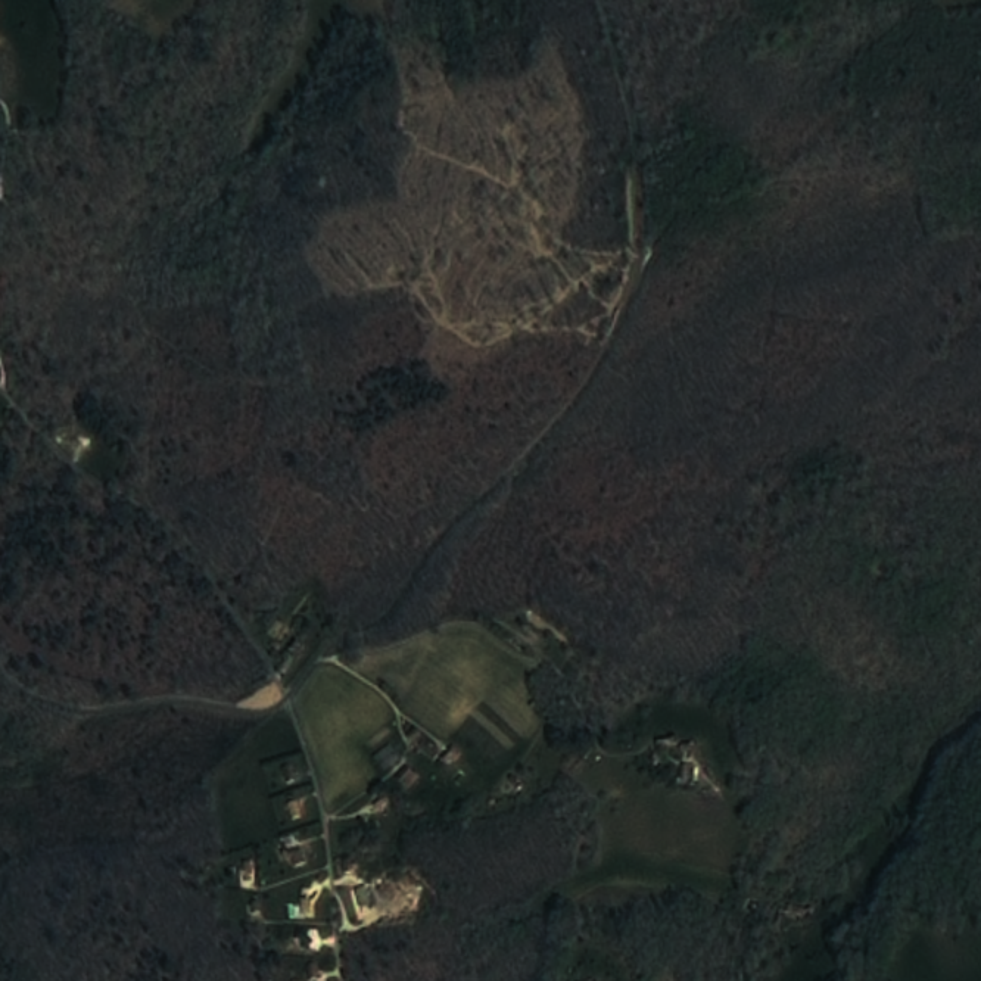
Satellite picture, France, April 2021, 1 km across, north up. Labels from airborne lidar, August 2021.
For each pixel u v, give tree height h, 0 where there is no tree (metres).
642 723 7
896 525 15
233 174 22
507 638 7
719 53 13
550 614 11
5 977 17
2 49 0
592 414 11
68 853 15
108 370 19
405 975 10
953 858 24
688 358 11
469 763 0
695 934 17
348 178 14
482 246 15
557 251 21
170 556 19
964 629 22
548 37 15
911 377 7
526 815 12
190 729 14
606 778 0
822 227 11
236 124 23
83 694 16
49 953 16
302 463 9
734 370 7
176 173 26
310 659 0
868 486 18
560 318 7
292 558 6
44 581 9
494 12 9
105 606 17
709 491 10
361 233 0
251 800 0
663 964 20
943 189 25
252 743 0
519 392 16
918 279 11
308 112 17
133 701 25
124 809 6
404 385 15
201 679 12
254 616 10
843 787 14
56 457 11
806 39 23
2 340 8
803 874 16
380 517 8
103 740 11
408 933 8
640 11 13
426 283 0
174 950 10
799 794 13
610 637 14
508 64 7
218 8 16
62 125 15
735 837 0
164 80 18
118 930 15
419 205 0
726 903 9
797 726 23
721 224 8
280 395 13
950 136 7
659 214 9
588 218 19
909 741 27
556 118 16
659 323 7
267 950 6
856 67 9
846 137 15
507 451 11
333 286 0
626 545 7
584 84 12
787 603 14
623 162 9
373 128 14
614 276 18
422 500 19
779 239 11
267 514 7
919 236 12
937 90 7
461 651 0
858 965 21
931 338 8
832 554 21
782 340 5
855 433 6
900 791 22
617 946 16
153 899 17
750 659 20
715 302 10
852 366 9
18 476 10
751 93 13
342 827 0
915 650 17
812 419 10
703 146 9
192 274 21
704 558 12
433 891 14
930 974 0
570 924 21
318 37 0
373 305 8
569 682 12
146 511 9
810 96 8
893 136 17
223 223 24
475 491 12
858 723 21
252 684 15
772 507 7
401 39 20
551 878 15
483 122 0
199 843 13
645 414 12
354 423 9
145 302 16
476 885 14
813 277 11
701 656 21
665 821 0
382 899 0
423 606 14
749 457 7
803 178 15
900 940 20
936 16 9
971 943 0
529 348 8
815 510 18
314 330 10
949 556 23
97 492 9
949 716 16
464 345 0
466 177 0
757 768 18
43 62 0
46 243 16
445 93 0
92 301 11
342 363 6
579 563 8
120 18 12
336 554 6
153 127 15
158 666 10
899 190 12
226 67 10
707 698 17
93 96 9
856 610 16
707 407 11
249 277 16
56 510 11
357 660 15
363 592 18
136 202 7
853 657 11
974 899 21
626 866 0
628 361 9
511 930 19
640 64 19
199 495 11
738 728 21
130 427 10
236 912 0
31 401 9
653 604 15
